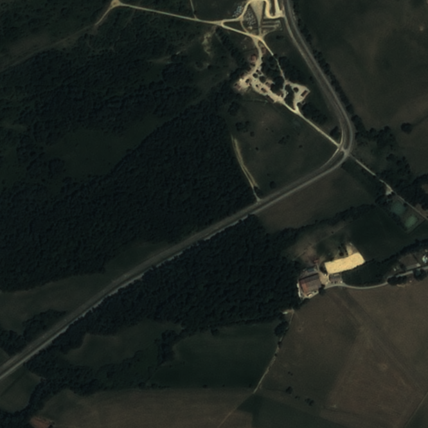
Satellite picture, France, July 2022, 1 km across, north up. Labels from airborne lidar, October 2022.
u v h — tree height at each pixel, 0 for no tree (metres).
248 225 19
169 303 21
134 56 14
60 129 15
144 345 0
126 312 22
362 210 6
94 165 0
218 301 24
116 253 6
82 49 7
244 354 0
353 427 0
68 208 21
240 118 0
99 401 0
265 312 23
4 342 12
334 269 0
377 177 12
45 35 0
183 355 0
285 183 0
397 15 0
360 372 0
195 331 13
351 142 0
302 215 0
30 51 0
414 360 0
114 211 23
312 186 0
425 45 0
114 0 0
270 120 0
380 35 0
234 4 0
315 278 0
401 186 7
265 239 14
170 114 12
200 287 28
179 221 28
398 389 0
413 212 0
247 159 0
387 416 0
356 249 0
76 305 0
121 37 6
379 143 6
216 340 0
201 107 15
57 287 0
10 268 12
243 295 23
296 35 0
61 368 6
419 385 0
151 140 13
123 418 0
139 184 24
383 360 0
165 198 16
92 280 0
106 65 11
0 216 21
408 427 0
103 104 13
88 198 22
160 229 16
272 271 20
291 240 9
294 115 0
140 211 18
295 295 23
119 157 0
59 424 0
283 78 11
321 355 0
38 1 0
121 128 16
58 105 22
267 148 0
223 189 18
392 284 13
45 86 9
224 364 0
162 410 0
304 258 0
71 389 14
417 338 0
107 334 22
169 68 17
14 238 19
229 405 0
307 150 0
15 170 0
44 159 11
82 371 8
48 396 23
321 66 9
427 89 0
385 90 0
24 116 7
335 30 0
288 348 0
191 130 18
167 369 0
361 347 0
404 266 13
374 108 0
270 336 0
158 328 0
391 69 0
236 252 19
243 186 12
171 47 9
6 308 0
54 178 9
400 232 0
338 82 14
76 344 21
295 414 0
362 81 0
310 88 0
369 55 0
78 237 20
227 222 0
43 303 0
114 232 12
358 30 0
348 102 15
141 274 0
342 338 0
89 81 15
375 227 0
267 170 0
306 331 0
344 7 0
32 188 7
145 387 16
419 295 0
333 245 0
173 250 0
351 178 0
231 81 7
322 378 0
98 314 22
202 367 0
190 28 0
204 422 0
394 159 13
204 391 0
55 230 15
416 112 0
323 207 0
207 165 20
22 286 20
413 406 0
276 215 0
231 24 0
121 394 0
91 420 0
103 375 6
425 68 0
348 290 0
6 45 0
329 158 0
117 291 0
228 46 11
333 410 0
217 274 27
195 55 0
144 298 24
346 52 0
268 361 0
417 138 0
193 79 8
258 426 0
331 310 0
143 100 15
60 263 25
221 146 9
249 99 0
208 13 0
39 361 18
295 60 0
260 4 0
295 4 10
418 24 0
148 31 7
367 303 0
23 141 15
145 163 21
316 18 0
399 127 0
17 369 0
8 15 6
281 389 0
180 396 0
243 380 0
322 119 12
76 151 0
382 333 0
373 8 0
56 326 0
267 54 0
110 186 8
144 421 0
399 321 0
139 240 9
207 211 19
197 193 19
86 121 17
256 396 0
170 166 27
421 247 20
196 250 20
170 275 27
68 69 15
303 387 0
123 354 0
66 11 9
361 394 0
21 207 22
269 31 0
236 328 0
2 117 7
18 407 0
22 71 6
